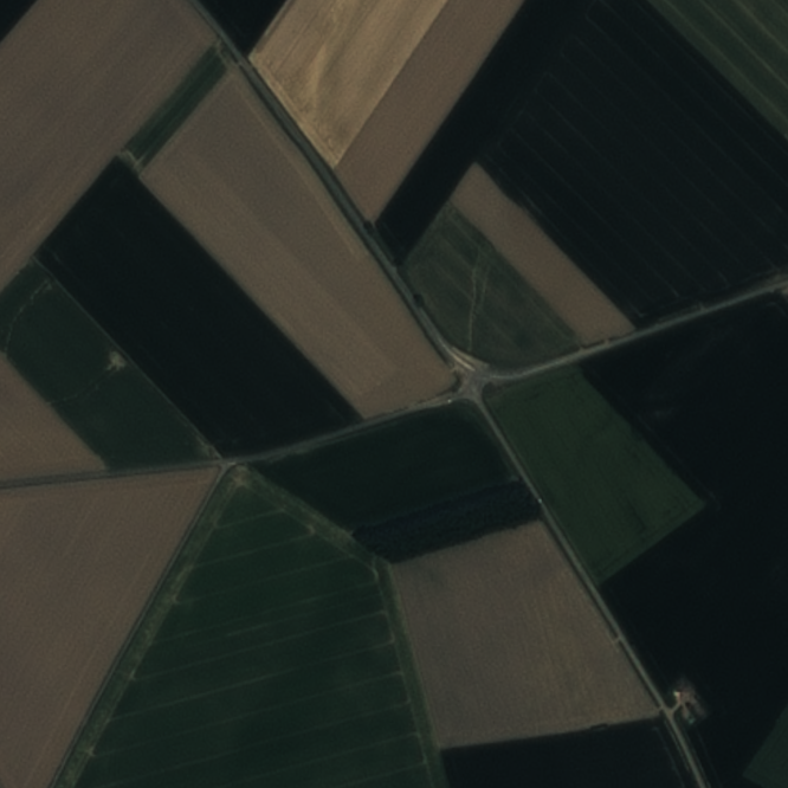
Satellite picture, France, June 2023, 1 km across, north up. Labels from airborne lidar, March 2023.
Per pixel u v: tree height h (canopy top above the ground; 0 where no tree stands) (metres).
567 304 0
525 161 0
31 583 0
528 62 0
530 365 0
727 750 0
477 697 0
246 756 0
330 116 0
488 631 0
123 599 0
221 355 0
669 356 0
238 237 0
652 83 0
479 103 0
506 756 0
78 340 0
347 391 0
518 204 0
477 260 0
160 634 0
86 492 0
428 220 0
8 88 0
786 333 0
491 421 0
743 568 0
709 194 0
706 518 0
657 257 0
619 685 0
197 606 0
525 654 0
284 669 0
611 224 0
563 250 0
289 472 0
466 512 16
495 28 0
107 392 0
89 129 0
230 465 0
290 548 0
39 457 0
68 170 0
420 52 0
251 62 0
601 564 0
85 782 0
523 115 0
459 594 0
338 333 0
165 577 0
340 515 0
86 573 0
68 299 0
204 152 0
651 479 0
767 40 0
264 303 0
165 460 0
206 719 0
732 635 0
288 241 0
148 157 0
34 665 0
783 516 0
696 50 0
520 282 0
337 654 0
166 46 0
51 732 0
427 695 0
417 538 17
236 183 0
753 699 0
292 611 0
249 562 0
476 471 0
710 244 0
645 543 0
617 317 0
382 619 0
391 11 0
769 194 0
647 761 0
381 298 0
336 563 0
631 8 0
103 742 0
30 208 0
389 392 0
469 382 0
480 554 0
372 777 0
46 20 0
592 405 0
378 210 0
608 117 0
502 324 0
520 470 0
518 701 0
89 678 0
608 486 0
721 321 0
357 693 0
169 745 0
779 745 0
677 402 0
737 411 0
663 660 0
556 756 0
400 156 0
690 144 0
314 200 0
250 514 0
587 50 0
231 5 0
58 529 0
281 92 0
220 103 0
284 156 0
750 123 0
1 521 0
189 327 0
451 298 0
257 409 0
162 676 0
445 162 0
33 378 0
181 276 0
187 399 0
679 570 0
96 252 0
